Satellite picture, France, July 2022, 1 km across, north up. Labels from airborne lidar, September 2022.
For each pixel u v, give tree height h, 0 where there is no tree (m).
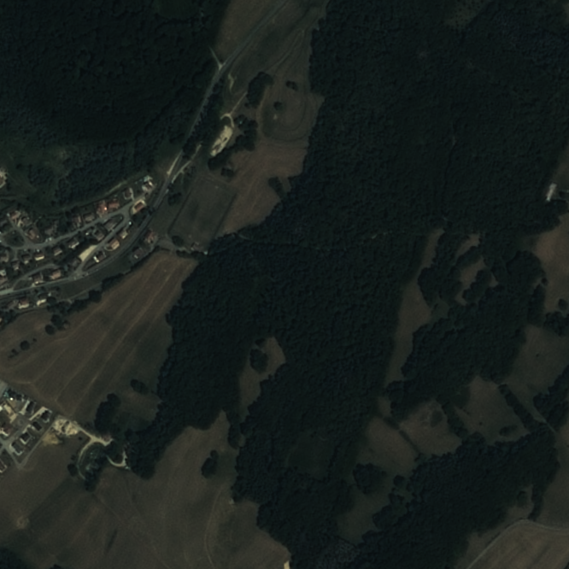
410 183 14
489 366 16
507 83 15
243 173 0
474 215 16
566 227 0
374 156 14
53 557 0
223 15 13
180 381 17
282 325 17
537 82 15
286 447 18
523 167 16
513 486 18
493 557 0
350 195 15
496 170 14
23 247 0
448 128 11
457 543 17
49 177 8
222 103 15
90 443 0
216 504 0
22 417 0
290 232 17
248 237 15
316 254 14
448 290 14
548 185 21
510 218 14
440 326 11
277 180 8
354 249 14
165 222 0
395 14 15
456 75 22
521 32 24
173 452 0
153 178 0
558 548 0
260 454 8
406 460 0
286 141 0
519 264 20
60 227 7
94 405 0
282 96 0
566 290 0
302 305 14
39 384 0
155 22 27
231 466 0
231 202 0
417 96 21
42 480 0
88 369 0
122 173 12
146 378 0
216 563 0
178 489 0
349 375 21
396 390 18
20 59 6
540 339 0
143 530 0
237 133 0
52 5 31
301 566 18
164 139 20
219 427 0
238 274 15
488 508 21
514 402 19
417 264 18
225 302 14
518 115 17
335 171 15
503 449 17
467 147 17
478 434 6
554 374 0
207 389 18
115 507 0
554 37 33
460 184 16
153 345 0
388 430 0
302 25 0
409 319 0
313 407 16
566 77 8
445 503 18
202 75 23
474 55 17
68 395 0
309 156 7
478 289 22
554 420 15
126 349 0
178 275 0
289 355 11
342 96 15
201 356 14
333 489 22
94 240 9
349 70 15
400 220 17
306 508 19
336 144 13
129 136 24
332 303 17
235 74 0
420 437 0
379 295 12
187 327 16
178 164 0
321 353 15
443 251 17
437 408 0
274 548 0
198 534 0
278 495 17
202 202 0
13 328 0
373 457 0
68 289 0
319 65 18
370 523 0
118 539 0
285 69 0
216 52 0
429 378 22
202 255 14
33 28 22
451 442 0
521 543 0
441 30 11
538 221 12
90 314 0
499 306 18
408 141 14
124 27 31
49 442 0
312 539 17
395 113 14
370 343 10
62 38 28
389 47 19
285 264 25
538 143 15
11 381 0
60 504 0
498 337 19
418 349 10
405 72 20
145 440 20
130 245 0
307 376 16
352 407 13
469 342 17
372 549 21
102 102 19
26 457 0
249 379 0
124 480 0
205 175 0
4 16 18
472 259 18
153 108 25
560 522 0
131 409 0
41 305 0
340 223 14
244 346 25
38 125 15
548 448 17
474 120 19
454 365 19
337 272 16
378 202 16
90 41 34
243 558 0
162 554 0
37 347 0
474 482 18
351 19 17
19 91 23
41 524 0
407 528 19
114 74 30
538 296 20
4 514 0
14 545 0
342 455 21
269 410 18
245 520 0
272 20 0
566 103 21
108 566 0
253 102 13
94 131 26
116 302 0
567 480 0
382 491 0
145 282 0
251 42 0
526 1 9
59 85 20
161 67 27
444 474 25
